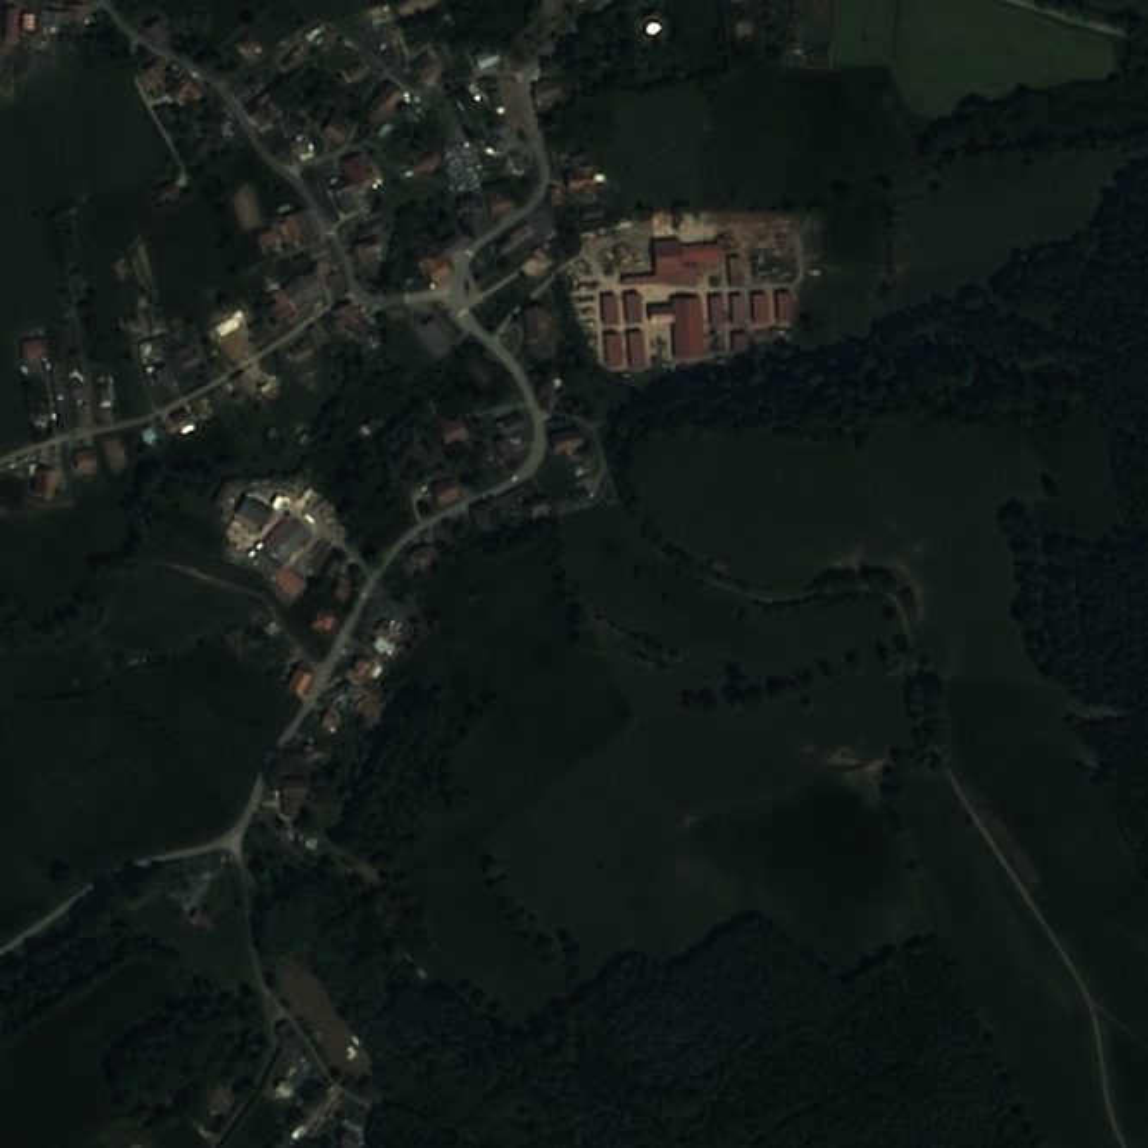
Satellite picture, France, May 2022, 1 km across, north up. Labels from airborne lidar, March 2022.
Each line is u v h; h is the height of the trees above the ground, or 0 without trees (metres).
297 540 0
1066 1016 0
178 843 0
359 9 0
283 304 0
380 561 16
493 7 19
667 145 0
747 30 0
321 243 0
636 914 0
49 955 16
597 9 0
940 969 8
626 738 0
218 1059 28
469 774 0
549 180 0
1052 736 0
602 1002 16
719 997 17
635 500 19
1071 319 11
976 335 30
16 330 0
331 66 0
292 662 0
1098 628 27
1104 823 0
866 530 0
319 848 0
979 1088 12
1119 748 13
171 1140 0
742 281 0
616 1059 16
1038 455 0
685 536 0
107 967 15
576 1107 18
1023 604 10
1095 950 0
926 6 0
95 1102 0
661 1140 20
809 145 0
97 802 0
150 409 0
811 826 0
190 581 0
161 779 0
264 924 22
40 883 0
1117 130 0
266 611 0
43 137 0
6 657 0
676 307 0
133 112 0
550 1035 30
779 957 17
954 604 0
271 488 0
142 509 20
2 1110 0
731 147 0
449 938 0
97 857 0
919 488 0
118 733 0
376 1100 0
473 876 0
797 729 0
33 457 0
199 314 0
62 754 0
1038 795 0
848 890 0
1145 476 15
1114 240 22
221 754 0
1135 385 30
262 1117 0
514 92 0
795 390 27
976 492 0
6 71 0
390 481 21
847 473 0
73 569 0
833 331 0
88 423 0
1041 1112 0
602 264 0
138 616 0
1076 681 22
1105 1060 0
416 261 13
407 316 0
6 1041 12
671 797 0
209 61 20
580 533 0
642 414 19
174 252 0
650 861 0
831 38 0
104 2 0
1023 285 23
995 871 0
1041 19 0
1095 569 22
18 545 0
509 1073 23
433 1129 12
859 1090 10
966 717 0
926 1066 8
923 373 29
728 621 0
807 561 0
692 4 0
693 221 0
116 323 0
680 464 0
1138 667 18
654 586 0
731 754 0
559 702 0
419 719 22
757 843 0
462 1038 21
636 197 0
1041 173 0
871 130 0
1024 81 0
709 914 0
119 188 0
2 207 0
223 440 0
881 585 17
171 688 0
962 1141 11
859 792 0
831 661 0
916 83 0
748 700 21
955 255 0
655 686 0
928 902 0
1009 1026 0
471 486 10
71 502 0
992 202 0
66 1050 0
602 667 0
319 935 25
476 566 0
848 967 0
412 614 0
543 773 0
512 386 0
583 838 0
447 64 0
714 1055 10
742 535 0
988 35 0
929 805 0
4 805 0
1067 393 24
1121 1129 0
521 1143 15
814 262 0
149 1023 0
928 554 0
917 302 0
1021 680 0
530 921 17
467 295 0
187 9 0
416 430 9
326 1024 0
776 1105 9
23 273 0
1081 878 0
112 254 0
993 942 0
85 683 0
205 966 0
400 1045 23
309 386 0
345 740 0
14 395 0
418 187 0
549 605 0
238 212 0
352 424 0
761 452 0
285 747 12
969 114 13
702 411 31
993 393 31
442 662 0
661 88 11
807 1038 14
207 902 0
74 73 0
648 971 16
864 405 27
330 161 0
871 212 0
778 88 0
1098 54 0
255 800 0
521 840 0
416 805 15
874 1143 11
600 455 0
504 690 0
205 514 0
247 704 0
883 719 0
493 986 0
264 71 0
